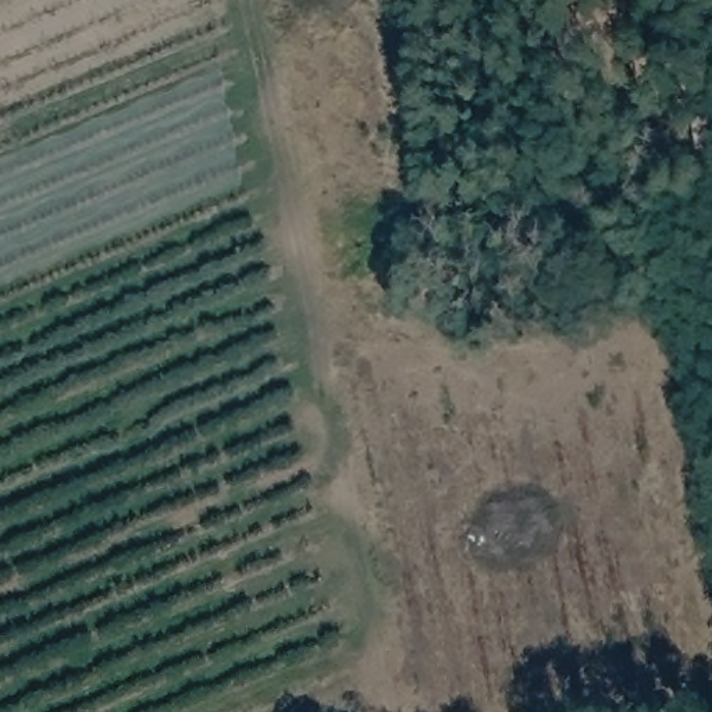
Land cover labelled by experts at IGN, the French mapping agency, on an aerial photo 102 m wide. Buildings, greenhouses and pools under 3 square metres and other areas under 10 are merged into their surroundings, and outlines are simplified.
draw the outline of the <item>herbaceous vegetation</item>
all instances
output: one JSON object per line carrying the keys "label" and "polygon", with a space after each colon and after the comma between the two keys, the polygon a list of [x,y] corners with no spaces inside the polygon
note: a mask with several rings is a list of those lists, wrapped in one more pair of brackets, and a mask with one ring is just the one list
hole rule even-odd
{"label": "herbaceous vegetation", "polygon": [[473,103],[473,86],[462,83],[456,97],[434,97],[431,103],[456,111],[470,111],[476,122],[487,122],[492,117],[492,103]]}
{"label": "herbaceous vegetation", "polygon": [[453,136],[442,134],[428,139],[431,156],[439,167],[448,161],[459,175],[470,178],[464,159],[456,153],[459,147],[453,145]]}
{"label": "herbaceous vegetation", "polygon": [[565,58],[595,67],[604,75],[604,81],[617,83],[612,103],[615,117],[623,117],[623,111],[631,106],[637,72],[642,72],[645,53],[656,45],[654,19],[651,14],[645,14],[642,19],[634,17],[634,0],[567,0],[567,19],[562,31],[545,33],[540,39],[542,53],[559,50]]}
{"label": "herbaceous vegetation", "polygon": [[679,156],[693,156],[701,167],[706,164],[706,147],[712,147],[712,114],[706,122],[693,117],[676,122],[673,128],[662,114],[642,120],[637,128],[637,139],[629,145],[631,156],[626,159],[626,167],[617,170],[617,181],[604,186],[584,184],[573,200],[534,206],[517,228],[517,239],[526,248],[531,245],[534,228],[545,231],[551,220],[562,217],[565,228],[562,236],[551,245],[551,250],[556,256],[562,250],[573,250],[581,256],[587,248],[590,211],[609,209],[612,203],[637,211],[637,203],[623,195],[626,186],[645,186],[651,175],[659,170],[659,161],[668,167],[668,178],[676,178]]}
{"label": "herbaceous vegetation", "polygon": [[[403,220],[406,209],[420,197],[412,178],[403,170],[398,172],[398,161],[409,153],[406,120],[401,106],[403,89],[395,70],[403,36],[401,28],[392,25],[389,17],[381,11],[378,0],[225,0],[225,14],[211,19],[214,28],[228,31],[223,39],[214,42],[220,53],[236,47],[236,56],[228,64],[223,64],[223,75],[231,83],[231,89],[225,92],[228,108],[242,111],[242,117],[231,120],[234,134],[245,134],[245,145],[236,147],[236,159],[253,161],[256,167],[245,172],[242,181],[228,192],[203,197],[181,211],[147,223],[145,228],[111,236],[45,270],[33,270],[22,278],[0,284],[0,342],[31,337],[53,317],[70,314],[83,303],[111,298],[122,286],[142,284],[153,273],[186,264],[197,253],[225,248],[231,239],[250,236],[259,231],[264,236],[256,248],[236,250],[231,259],[211,261],[178,281],[159,284],[145,295],[128,298],[117,309],[86,317],[36,345],[25,345],[14,353],[0,356],[0,370],[33,353],[67,345],[81,334],[97,331],[136,312],[161,306],[167,298],[181,295],[203,281],[214,281],[217,275],[236,273],[245,264],[267,264],[267,273],[261,275],[250,275],[242,284],[225,286],[220,292],[206,292],[203,298],[178,306],[167,317],[134,325],[122,334],[106,337],[95,345],[86,345],[78,353],[58,356],[53,362],[31,367],[0,384],[0,401],[42,378],[53,378],[67,367],[100,359],[114,348],[147,339],[170,325],[186,325],[203,312],[239,309],[261,298],[270,300],[270,309],[259,312],[256,317],[236,317],[220,325],[206,325],[189,337],[136,353],[103,373],[72,381],[61,389],[42,392],[39,398],[0,414],[0,434],[33,417],[64,412],[86,395],[103,395],[114,384],[128,381],[131,375],[145,373],[150,367],[159,367],[181,353],[192,353],[200,345],[214,345],[245,328],[273,323],[270,337],[256,337],[245,345],[225,350],[223,356],[203,359],[195,367],[181,367],[131,395],[122,395],[111,406],[100,406],[56,428],[39,428],[0,448],[0,470],[19,464],[39,451],[56,448],[70,437],[81,437],[95,428],[117,428],[114,439],[100,439],[95,445],[75,448],[58,459],[42,462],[25,473],[0,481],[0,495],[47,478],[53,473],[61,473],[67,467],[81,467],[97,456],[125,451],[142,439],[156,437],[170,426],[197,417],[200,412],[217,409],[225,401],[256,392],[261,384],[273,378],[289,378],[289,389],[281,389],[256,403],[253,409],[236,412],[220,423],[209,423],[200,434],[184,442],[167,445],[150,456],[134,459],[128,464],[114,464],[89,478],[61,484],[56,490],[39,492],[28,501],[0,509],[0,534],[11,526],[64,509],[89,492],[167,467],[186,453],[203,451],[206,445],[250,431],[278,414],[292,417],[289,428],[261,437],[248,448],[220,453],[211,462],[200,462],[197,467],[186,467],[172,478],[147,484],[145,490],[134,490],[100,506],[83,509],[70,520],[61,520],[28,537],[17,537],[14,542],[0,548],[0,562],[14,559],[25,551],[45,548],[47,542],[75,534],[89,523],[100,523],[111,515],[139,509],[156,495],[184,490],[206,478],[214,478],[217,484],[217,490],[203,498],[145,515],[122,528],[103,534],[100,540],[83,548],[50,556],[45,562],[28,565],[22,573],[0,579],[0,606],[8,601],[22,601],[17,590],[42,581],[70,565],[95,559],[106,553],[111,545],[120,545],[131,537],[145,537],[159,528],[175,528],[178,540],[122,553],[111,565],[92,570],[89,576],[72,579],[56,590],[28,598],[28,609],[36,612],[47,604],[58,604],[81,592],[89,592],[111,576],[128,576],[159,559],[181,553],[206,537],[225,537],[231,531],[245,528],[248,523],[261,526],[256,534],[242,537],[225,548],[200,553],[159,576],[114,590],[106,598],[97,598],[75,612],[64,612],[39,626],[11,631],[6,640],[0,640],[0,656],[11,654],[19,645],[36,642],[45,634],[53,634],[64,626],[83,623],[111,606],[128,604],[142,592],[164,590],[172,581],[203,576],[214,567],[223,576],[217,584],[206,590],[181,595],[172,604],[153,606],[145,615],[131,617],[125,623],[111,623],[100,631],[78,634],[47,648],[45,654],[28,656],[14,668],[0,670],[0,698],[28,684],[31,679],[45,679],[61,668],[86,665],[103,648],[125,645],[128,640],[145,631],[172,626],[186,612],[214,606],[231,592],[245,592],[250,601],[248,606],[239,606],[211,623],[189,629],[159,645],[134,651],[125,659],[108,662],[100,670],[83,676],[81,681],[67,681],[58,690],[33,693],[19,704],[25,712],[58,712],[64,704],[97,690],[100,684],[108,684],[142,668],[153,668],[164,656],[211,645],[225,634],[242,634],[250,626],[267,623],[275,615],[300,606],[312,606],[314,615],[295,620],[284,629],[275,629],[248,645],[225,648],[217,656],[172,668],[159,679],[142,681],[120,695],[103,698],[97,701],[100,712],[131,712],[139,701],[175,690],[189,679],[217,676],[236,662],[267,656],[275,645],[306,637],[320,623],[339,626],[334,645],[314,645],[295,662],[278,662],[267,670],[256,670],[206,695],[192,693],[192,698],[186,698],[186,706],[192,712],[370,712],[362,704],[362,695],[356,693],[359,656],[367,631],[384,623],[381,604],[392,592],[392,587],[387,581],[387,551],[375,548],[364,526],[356,526],[353,520],[337,515],[328,506],[328,484],[337,478],[339,462],[345,462],[350,451],[350,434],[345,426],[342,406],[325,389],[320,375],[334,364],[348,367],[356,356],[359,342],[398,342],[395,334],[401,328],[373,328],[370,323],[373,314],[384,314],[381,295],[384,286],[389,286],[392,264],[387,261],[387,253],[392,245],[395,223]],[[184,250],[167,253],[153,264],[122,273],[108,284],[92,286],[64,300],[53,300],[47,306],[42,303],[45,289],[64,289],[83,273],[89,275],[111,261],[142,253],[164,239],[181,239],[195,225],[203,225],[211,217],[231,209],[248,209],[248,220],[231,223],[217,234]],[[164,395],[184,389],[189,384],[200,384],[225,370],[245,367],[261,353],[275,353],[275,364],[267,364],[259,373],[228,387],[211,389],[200,398],[175,403],[150,426],[128,431],[125,423],[142,417],[142,412]],[[261,470],[242,481],[225,481],[228,467],[242,464],[248,459],[259,459],[270,448],[286,442],[300,445],[298,459],[286,462],[284,467]],[[303,470],[309,473],[309,487],[286,490],[264,503],[239,509],[228,517],[217,517],[211,526],[200,523],[200,515],[206,509],[223,506],[236,498],[248,498]],[[253,565],[242,573],[236,570],[236,556],[264,548],[278,548],[278,559]]]}

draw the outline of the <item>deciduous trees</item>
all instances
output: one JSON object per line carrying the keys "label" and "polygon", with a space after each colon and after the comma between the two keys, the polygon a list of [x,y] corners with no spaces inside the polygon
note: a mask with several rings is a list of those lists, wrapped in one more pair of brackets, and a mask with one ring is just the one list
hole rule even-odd
{"label": "deciduous trees", "polygon": [[0,470],[0,481],[25,473],[42,462],[58,459],[75,448],[95,445],[100,439],[114,439],[117,428],[95,428],[81,437],[70,437],[56,448],[39,451],[19,464]]}
{"label": "deciduous trees", "polygon": [[284,629],[295,620],[314,615],[312,606],[300,606],[275,615],[267,623],[250,626],[242,634],[225,634],[211,645],[164,656],[153,668],[142,668],[108,684],[100,684],[97,690],[64,704],[58,712],[100,712],[97,701],[103,698],[120,695],[142,681],[159,679],[172,668],[217,656],[225,648],[248,645],[275,629]]}
{"label": "deciduous trees", "polygon": [[108,662],[125,659],[134,651],[159,645],[189,629],[211,623],[239,606],[248,606],[250,601],[245,592],[231,592],[214,606],[186,612],[172,626],[145,631],[128,640],[125,645],[103,648],[86,665],[61,668],[45,679],[31,679],[28,684],[0,698],[0,712],[25,712],[19,704],[33,693],[58,690],[67,681],[81,681],[83,676],[100,670]]}
{"label": "deciduous trees", "polygon": [[239,509],[264,503],[286,490],[309,487],[309,473],[303,470],[248,498],[236,498],[223,506],[206,509],[200,515],[200,523],[211,526],[217,517],[228,517]]}
{"label": "deciduous trees", "polygon": [[236,570],[242,573],[253,565],[278,559],[278,548],[264,548],[236,556]]}
{"label": "deciduous trees", "polygon": [[111,298],[83,303],[70,314],[53,317],[31,337],[0,342],[0,356],[14,353],[25,345],[36,345],[86,317],[117,309],[128,298],[145,295],[159,284],[178,281],[211,261],[231,259],[236,250],[256,248],[264,236],[259,231],[250,236],[231,239],[225,248],[197,253],[186,264],[153,273],[142,284],[122,286]]}
{"label": "deciduous trees", "polygon": [[145,373],[131,375],[128,381],[114,384],[103,395],[86,395],[64,412],[33,417],[0,434],[0,448],[39,428],[56,428],[100,406],[111,406],[122,395],[131,395],[181,367],[195,367],[203,359],[223,356],[225,350],[245,345],[256,337],[270,337],[273,323],[245,328],[214,345],[200,345],[192,353],[181,353],[159,367],[150,367]]}
{"label": "deciduous trees", "polygon": [[259,312],[270,309],[270,300],[261,298],[239,309],[203,312],[186,325],[170,325],[147,339],[114,348],[100,359],[67,367],[53,378],[42,378],[0,401],[0,414],[39,398],[42,392],[61,389],[72,381],[103,373],[136,353],[189,337],[206,325],[220,325],[236,317],[256,317]]}
{"label": "deciduous trees", "polygon": [[203,298],[206,292],[220,292],[225,286],[242,284],[250,275],[261,275],[267,273],[267,264],[245,264],[236,273],[217,275],[214,281],[203,281],[181,295],[167,298],[161,306],[136,312],[97,331],[81,334],[67,345],[33,353],[0,370],[0,384],[31,367],[53,362],[58,356],[78,353],[86,345],[95,345],[106,337],[122,334],[134,325],[167,317],[178,306]]}
{"label": "deciduous trees", "polygon": [[245,367],[225,370],[200,384],[189,384],[184,389],[164,395],[142,412],[142,417],[125,423],[128,431],[150,426],[175,403],[200,398],[211,389],[228,387],[259,373],[267,364],[275,364],[275,353],[261,353]]}
{"label": "deciduous trees", "polygon": [[231,531],[225,537],[206,537],[181,553],[159,559],[128,576],[111,576],[89,592],[81,592],[58,604],[47,604],[36,612],[28,609],[28,598],[56,590],[72,579],[89,576],[92,570],[111,565],[122,553],[178,540],[175,528],[159,528],[145,537],[131,537],[120,545],[111,545],[106,553],[95,559],[70,565],[42,581],[17,590],[22,601],[8,601],[0,606],[0,640],[6,640],[11,631],[39,626],[64,612],[75,612],[97,598],[106,598],[114,590],[159,576],[200,553],[225,548],[242,537],[256,534],[261,526],[248,523],[245,528]]}
{"label": "deciduous trees", "polygon": [[45,654],[47,648],[78,634],[100,631],[111,623],[125,623],[131,617],[145,615],[153,606],[172,604],[181,595],[206,590],[217,584],[223,576],[214,567],[203,576],[172,581],[164,590],[142,592],[128,604],[111,606],[83,623],[64,626],[53,634],[45,634],[36,642],[19,645],[11,654],[0,656],[0,670],[14,668],[28,656]]}
{"label": "deciduous trees", "polygon": [[156,437],[142,439],[125,451],[97,456],[81,467],[67,467],[61,473],[53,473],[47,478],[0,495],[0,509],[28,501],[39,492],[56,490],[61,484],[89,478],[114,464],[128,464],[134,459],[150,456],[167,445],[184,442],[200,434],[209,423],[220,423],[236,412],[253,409],[256,403],[281,389],[289,389],[289,378],[273,378],[261,384],[256,392],[225,401],[217,409],[200,412],[197,417],[170,426]]}
{"label": "deciduous trees", "polygon": [[175,690],[139,701],[131,712],[192,712],[186,706],[186,698],[192,698],[192,693],[206,695],[256,670],[267,670],[278,662],[295,662],[314,645],[334,645],[339,626],[320,623],[306,637],[275,645],[267,656],[236,662],[217,676],[189,679]]}
{"label": "deciduous trees", "polygon": [[[617,320],[631,320],[648,328],[668,359],[665,401],[673,414],[676,434],[684,445],[687,528],[693,534],[695,551],[701,553],[698,573],[704,581],[704,592],[712,604],[712,147],[706,147],[706,164],[701,167],[693,156],[679,156],[676,178],[668,178],[668,167],[659,161],[659,170],[651,175],[645,186],[626,186],[623,195],[637,203],[637,211],[612,203],[609,209],[590,211],[587,248],[581,256],[573,250],[562,250],[556,256],[551,250],[551,245],[562,236],[565,228],[562,217],[551,220],[545,231],[534,228],[531,245],[526,248],[517,239],[517,228],[534,206],[573,200],[584,184],[604,186],[617,181],[617,170],[626,167],[626,159],[631,156],[629,145],[637,139],[637,128],[642,120],[662,114],[673,128],[676,122],[693,117],[706,122],[712,114],[712,0],[634,0],[634,17],[642,19],[645,14],[651,14],[654,19],[656,45],[645,53],[642,72],[637,72],[631,106],[623,111],[623,117],[615,117],[612,103],[617,83],[604,81],[604,75],[595,67],[565,58],[559,50],[542,53],[540,39],[545,33],[562,31],[567,19],[567,0],[378,0],[381,11],[389,17],[392,25],[401,28],[403,36],[395,70],[403,89],[401,106],[406,120],[409,153],[398,161],[398,172],[403,170],[412,178],[420,197],[406,209],[403,220],[395,223],[392,245],[387,253],[387,261],[392,264],[389,286],[384,286],[381,295],[384,314],[434,325],[451,342],[456,359],[467,359],[473,350],[487,348],[492,342],[520,342],[545,334],[562,337],[570,348],[590,348],[606,339]],[[487,122],[476,122],[470,111],[456,111],[431,103],[434,97],[456,97],[462,83],[473,86],[473,103],[492,103],[492,117]],[[459,147],[456,153],[464,159],[470,178],[459,175],[448,161],[439,167],[431,156],[428,139],[442,134],[453,136],[453,145]]]}
{"label": "deciduous trees", "polygon": [[28,565],[45,562],[50,556],[83,548],[100,540],[103,534],[122,528],[145,515],[203,498],[217,490],[217,484],[214,478],[206,478],[184,490],[156,495],[139,509],[111,515],[100,523],[89,523],[75,534],[47,542],[45,548],[25,551],[14,559],[0,562],[0,579],[22,573]]}
{"label": "deciduous trees", "polygon": [[228,192],[242,181],[245,172],[256,167],[253,161],[236,159],[236,147],[245,145],[245,134],[234,134],[231,120],[242,117],[242,111],[228,108],[225,92],[231,89],[231,83],[223,75],[223,64],[228,64],[236,56],[236,47],[220,53],[214,42],[223,39],[228,31],[214,28],[211,19],[181,33],[172,33],[161,42],[153,42],[150,47],[142,47],[131,56],[92,67],[36,95],[0,106],[0,284],[22,278],[33,270],[45,270],[111,236],[145,228],[147,223],[181,211],[203,197]]}
{"label": "deciduous trees", "polygon": [[701,712],[704,701],[698,695],[668,690],[668,701],[651,701],[642,693],[634,693],[629,701],[629,712]]}
{"label": "deciduous trees", "polygon": [[64,509],[11,526],[0,534],[0,548],[14,542],[17,537],[28,537],[61,520],[70,520],[83,509],[100,506],[134,490],[145,490],[147,484],[172,478],[186,467],[197,467],[200,462],[211,462],[220,453],[248,448],[261,437],[289,428],[292,417],[278,414],[250,431],[206,445],[203,451],[186,453],[167,467],[89,492]]}
{"label": "deciduous trees", "polygon": [[242,481],[261,470],[284,467],[286,462],[298,459],[300,445],[286,442],[270,448],[259,459],[248,459],[242,464],[228,467],[225,481]]}
{"label": "deciduous trees", "polygon": [[231,223],[248,220],[248,209],[231,209],[211,217],[203,225],[195,225],[181,239],[164,239],[142,253],[111,261],[89,275],[83,273],[64,289],[45,289],[42,303],[47,306],[53,300],[64,300],[92,286],[108,284],[122,273],[153,264],[167,253],[184,250],[217,234]]}

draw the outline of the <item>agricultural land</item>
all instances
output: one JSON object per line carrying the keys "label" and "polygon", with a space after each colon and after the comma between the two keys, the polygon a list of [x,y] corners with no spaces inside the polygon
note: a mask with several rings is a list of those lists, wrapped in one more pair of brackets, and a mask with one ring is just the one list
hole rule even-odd
{"label": "agricultural land", "polygon": [[211,19],[225,14],[225,0],[0,0],[0,106],[36,95],[92,67],[131,56],[142,47],[150,47],[153,42],[161,42],[172,33],[181,33]]}
{"label": "agricultural land", "polygon": [[629,701],[634,693],[642,693],[651,701],[668,701],[668,690],[698,695],[704,701],[701,712],[712,712],[712,604],[704,592],[704,581],[698,573],[701,553],[695,551],[693,534],[687,528],[684,445],[676,434],[673,414],[665,401],[668,359],[648,328],[631,320],[617,320],[606,339],[590,348],[570,348],[562,337],[545,334],[520,342],[492,342],[487,348],[473,350],[467,359],[456,359],[451,342],[434,325],[384,314],[373,314],[370,323],[373,328],[401,328],[395,334],[398,342],[359,342],[356,356],[348,367],[334,364],[320,375],[325,389],[342,406],[345,426],[350,434],[350,451],[345,462],[339,462],[337,478],[328,484],[328,506],[337,515],[353,520],[356,526],[364,526],[375,548],[387,551],[387,581],[392,587],[392,592],[381,604],[384,623],[367,631],[359,656],[356,693],[362,695],[362,704],[370,712],[629,712]]}

